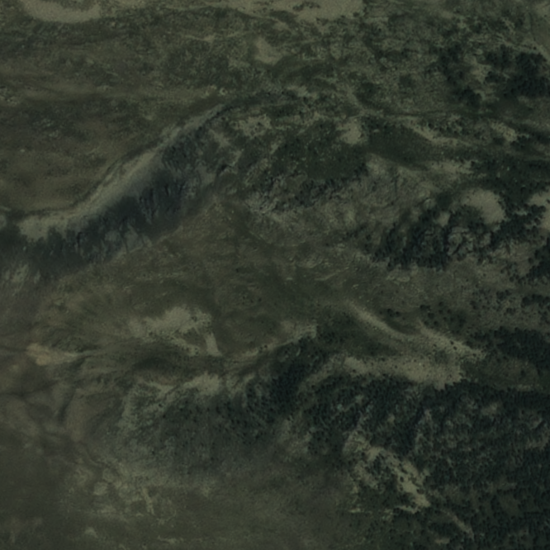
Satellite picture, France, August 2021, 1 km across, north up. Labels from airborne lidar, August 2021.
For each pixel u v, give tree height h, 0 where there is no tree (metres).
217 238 0
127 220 0
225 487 0
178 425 0
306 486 0
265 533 0
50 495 0
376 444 10
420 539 0
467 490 13
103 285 0
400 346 0
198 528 0
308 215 0
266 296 0
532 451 7
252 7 0
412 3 0
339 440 0
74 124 0
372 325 0
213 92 0
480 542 7
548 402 20
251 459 0
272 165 0
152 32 0
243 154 0
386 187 0
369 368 0
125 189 0
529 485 15
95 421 0
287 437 0
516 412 14
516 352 19
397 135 0
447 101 0
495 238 14
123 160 0
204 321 0
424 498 0
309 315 0
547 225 0
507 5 0
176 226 0
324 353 10
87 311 0
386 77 0
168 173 0
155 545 0
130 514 0
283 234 0
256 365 0
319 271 0
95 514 0
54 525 0
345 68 0
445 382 0
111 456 0
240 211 0
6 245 0
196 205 0
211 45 0
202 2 0
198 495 0
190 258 0
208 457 0
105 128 0
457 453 7
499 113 0
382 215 0
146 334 0
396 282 0
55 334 0
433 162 0
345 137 0
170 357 0
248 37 0
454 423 6
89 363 0
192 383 0
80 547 0
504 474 12
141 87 0
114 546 0
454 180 0
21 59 0
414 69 0
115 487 0
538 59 6
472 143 0
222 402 0
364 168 7
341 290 0
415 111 0
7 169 0
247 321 0
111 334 0
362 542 0
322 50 0
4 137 0
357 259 0
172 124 0
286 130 0
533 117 0
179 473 0
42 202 0
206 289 0
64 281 0
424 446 7
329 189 0
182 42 0
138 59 0
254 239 0
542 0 0
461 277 0
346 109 0
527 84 16
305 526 0
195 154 0
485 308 7
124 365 0
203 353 0
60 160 0
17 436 0
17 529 0
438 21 0
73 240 0
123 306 0
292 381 9
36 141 0
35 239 0
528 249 0
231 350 0
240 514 0
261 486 0
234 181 0
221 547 0
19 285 0
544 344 20
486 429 10
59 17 0
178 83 0
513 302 7
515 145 13
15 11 0
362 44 0
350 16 0
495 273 0
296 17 0
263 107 0
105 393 0
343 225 0
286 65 0
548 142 18
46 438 0
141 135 0
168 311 0
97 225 0
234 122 0
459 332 7
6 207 0
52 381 0
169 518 0
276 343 0
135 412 0
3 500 0
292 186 0
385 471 6
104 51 0
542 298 19
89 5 0
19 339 0
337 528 0
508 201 10
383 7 0
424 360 0
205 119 0
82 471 0
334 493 0
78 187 0
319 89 0
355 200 0
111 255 0
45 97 0
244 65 0
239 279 0
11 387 0
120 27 0
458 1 0
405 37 0
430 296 0
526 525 14
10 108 0
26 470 0
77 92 0
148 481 0
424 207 0
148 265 0
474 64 0
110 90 0
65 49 0
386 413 9
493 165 9
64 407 0
